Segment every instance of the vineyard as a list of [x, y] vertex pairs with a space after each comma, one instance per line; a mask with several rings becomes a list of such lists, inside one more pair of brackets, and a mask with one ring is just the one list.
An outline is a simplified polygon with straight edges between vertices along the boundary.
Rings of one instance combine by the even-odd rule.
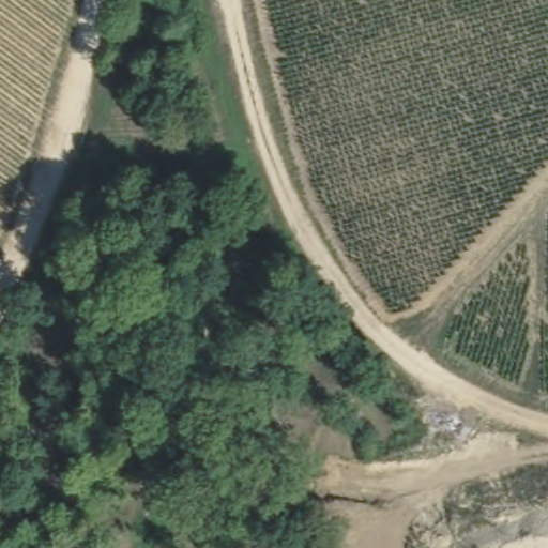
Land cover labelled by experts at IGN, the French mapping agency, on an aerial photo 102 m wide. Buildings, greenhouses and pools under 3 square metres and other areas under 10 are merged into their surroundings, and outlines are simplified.
[[514, 253], [505, 255], [505, 263], [501, 263], [497, 272], [490, 274], [488, 283], [471, 295], [471, 302], [462, 308], [462, 313], [447, 317], [445, 325], [441, 328], [445, 338], [452, 338], [454, 332], [458, 332], [456, 353], [486, 368], [497, 368], [501, 377], [509, 381], [518, 379], [529, 345], [524, 300], [529, 291], [529, 257], [527, 246], [518, 244]]
[[368, 280], [368, 285], [383, 300], [390, 313], [405, 310], [413, 302], [417, 302], [422, 293], [426, 293], [437, 283], [437, 278], [441, 278], [447, 272], [447, 268], [452, 268], [454, 261], [460, 259], [460, 255], [475, 242], [484, 227], [490, 227], [492, 220], [507, 208], [507, 203], [512, 203], [514, 197], [524, 191], [529, 180], [535, 178], [535, 173], [548, 163], [548, 0], [265, 0], [268, 17], [278, 47], [278, 73], [295, 122], [295, 139], [308, 163], [310, 186], [315, 191], [319, 206], [325, 210], [349, 261], [357, 265], [360, 274]]
[[60, 83], [69, 66], [71, 54], [75, 51], [69, 41], [69, 30], [71, 26], [75, 26], [75, 0], [0, 0], [0, 186], [19, 173], [19, 167], [26, 161], [45, 158], [43, 141], [47, 124], [54, 116]]
[[539, 343], [535, 347], [533, 368], [524, 385], [535, 394], [548, 392], [548, 325], [539, 323]]

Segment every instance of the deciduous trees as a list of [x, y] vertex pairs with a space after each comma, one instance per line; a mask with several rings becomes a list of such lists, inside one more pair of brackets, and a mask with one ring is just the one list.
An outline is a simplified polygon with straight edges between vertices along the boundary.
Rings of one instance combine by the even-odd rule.
[[103, 4], [98, 6], [98, 15], [94, 19], [94, 24], [98, 24], [98, 47], [90, 56], [92, 77], [109, 90], [116, 105], [137, 126], [146, 131], [152, 143], [163, 146], [167, 150], [184, 150], [188, 141], [212, 139], [216, 135], [216, 120], [214, 116], [210, 116], [214, 96], [203, 81], [195, 79], [193, 75], [199, 66], [199, 60], [214, 49], [216, 30], [210, 28], [201, 32], [201, 21], [206, 21], [218, 6], [216, 0], [103, 0]]
[[[113, 518], [116, 509], [128, 507], [133, 499], [158, 499], [152, 505], [152, 512], [173, 522], [182, 531], [191, 529], [199, 531], [203, 537], [240, 539], [244, 548], [313, 548], [313, 544], [317, 542], [317, 529], [323, 527], [328, 520], [325, 509], [323, 505], [319, 505], [319, 494], [310, 488], [310, 480], [325, 477], [328, 458], [310, 447], [293, 443], [289, 435], [295, 426], [276, 422], [276, 417], [272, 415], [272, 405], [278, 400], [289, 400], [289, 405], [302, 402], [315, 407], [319, 411], [323, 426], [340, 435], [347, 435], [351, 439], [355, 460], [383, 462], [385, 458], [381, 456], [379, 447], [381, 437], [368, 420], [355, 417], [357, 409], [362, 405], [377, 405], [387, 420], [396, 420], [398, 428], [405, 430], [413, 430], [415, 420], [422, 420], [417, 407], [400, 398], [390, 398], [390, 392], [394, 390], [394, 377], [387, 372], [387, 364], [392, 360], [355, 325], [353, 310], [340, 302], [334, 285], [325, 283], [319, 276], [317, 265], [313, 265], [310, 259], [302, 253], [295, 235], [287, 227], [287, 220], [283, 216], [283, 210], [278, 206], [278, 199], [272, 191], [265, 171], [257, 176], [257, 171], [248, 169], [244, 173], [231, 176], [225, 180], [220, 188], [214, 188], [208, 195], [197, 193], [191, 182], [178, 184], [178, 188], [158, 191], [154, 184], [146, 180], [141, 169], [133, 169], [131, 176], [118, 186], [113, 182], [107, 182], [103, 186], [83, 188], [66, 203], [64, 214], [45, 233], [49, 263], [45, 265], [45, 272], [39, 274], [32, 280], [32, 285], [28, 285], [19, 293], [9, 293], [4, 300], [6, 310], [0, 313], [0, 537], [13, 537], [21, 522], [39, 520], [54, 505], [64, 505], [69, 509], [69, 529], [75, 531], [86, 516], [90, 516], [92, 520]], [[336, 381], [343, 387], [347, 387], [345, 398], [330, 400], [325, 405], [313, 405], [308, 379], [315, 360], [330, 368]]]

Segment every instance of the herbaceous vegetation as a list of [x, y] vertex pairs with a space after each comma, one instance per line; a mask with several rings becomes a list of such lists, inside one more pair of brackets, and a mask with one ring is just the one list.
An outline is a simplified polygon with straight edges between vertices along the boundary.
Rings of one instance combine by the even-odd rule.
[[[285, 169], [289, 173], [293, 191], [298, 193], [304, 214], [315, 227], [332, 261], [347, 278], [349, 287], [360, 295], [368, 313], [381, 325], [390, 328], [400, 338], [409, 340], [409, 345], [413, 345], [417, 351], [426, 351], [439, 366], [507, 402], [539, 413], [548, 413], [548, 392], [535, 394], [524, 385], [533, 368], [535, 347], [539, 343], [539, 323], [548, 325], [548, 163], [535, 173], [535, 178], [529, 180], [524, 191], [514, 197], [512, 203], [507, 203], [507, 208], [492, 220], [490, 227], [484, 227], [475, 242], [460, 255], [460, 259], [454, 261], [452, 268], [447, 268], [447, 272], [441, 278], [437, 278], [437, 283], [426, 293], [422, 293], [417, 302], [413, 302], [405, 310], [390, 313], [383, 300], [368, 285], [368, 280], [360, 274], [357, 265], [349, 261], [325, 210], [319, 206], [315, 191], [310, 186], [308, 163], [295, 139], [295, 122], [278, 73], [278, 47], [268, 17], [265, 0], [242, 0], [242, 15], [246, 24], [255, 73], [278, 152], [283, 156]], [[509, 381], [501, 377], [497, 368], [486, 368], [456, 353], [458, 332], [454, 332], [452, 338], [445, 338], [441, 328], [445, 325], [447, 317], [462, 313], [462, 308], [471, 302], [471, 295], [488, 283], [490, 274], [497, 272], [501, 263], [505, 263], [505, 255], [514, 253], [518, 244], [527, 246], [529, 257], [529, 291], [524, 300], [529, 345], [518, 379]]]
[[302, 402], [289, 405], [289, 400], [278, 400], [272, 405], [272, 415], [276, 417], [276, 422], [295, 426], [289, 435], [293, 443], [310, 447], [328, 458], [355, 460], [351, 439], [347, 435], [340, 435], [323, 426], [319, 411], [315, 407]]
[[313, 548], [340, 548], [340, 542], [349, 531], [349, 520], [338, 518], [330, 509], [325, 509], [328, 520], [323, 527], [317, 529], [317, 542], [313, 544]]
[[387, 420], [377, 405], [362, 405], [357, 409], [355, 417], [368, 420], [381, 437], [379, 447], [381, 456], [385, 458], [394, 452], [405, 452], [407, 447], [413, 447], [422, 441], [428, 428], [422, 420], [415, 420], [413, 430], [405, 430], [398, 428], [396, 420]]
[[390, 392], [390, 398], [400, 398], [417, 407], [417, 398], [424, 392], [422, 385], [392, 360], [387, 364], [387, 372], [394, 377], [394, 390]]
[[193, 75], [195, 79], [203, 81], [214, 96], [210, 116], [214, 116], [216, 120], [216, 135], [212, 139], [188, 141], [184, 150], [167, 150], [163, 146], [152, 143], [146, 131], [137, 126], [116, 105], [109, 90], [92, 77], [83, 128], [81, 133], [75, 133], [73, 148], [62, 158], [58, 158], [64, 171], [51, 199], [49, 212], [41, 225], [36, 244], [26, 255], [26, 270], [21, 272], [21, 276], [28, 285], [32, 285], [32, 280], [39, 274], [45, 272], [45, 265], [49, 263], [45, 233], [64, 214], [66, 203], [83, 188], [103, 186], [107, 182], [113, 182], [118, 186], [131, 176], [133, 169], [141, 169], [146, 180], [154, 184], [158, 191], [178, 188], [178, 184], [191, 182], [197, 193], [208, 195], [214, 188], [220, 188], [225, 180], [231, 176], [244, 173], [248, 169], [257, 171], [257, 176], [265, 171], [255, 148], [255, 137], [244, 111], [231, 47], [225, 32], [225, 17], [218, 6], [206, 21], [201, 21], [201, 32], [210, 28], [216, 30], [214, 49], [199, 60], [199, 66]]
[[460, 516], [458, 533], [469, 533], [475, 527], [484, 527], [486, 505], [542, 505], [548, 499], [548, 465], [522, 465], [516, 471], [488, 482], [467, 480], [460, 484], [452, 484], [443, 499], [445, 522], [452, 522], [454, 516]]
[[343, 387], [336, 381], [330, 368], [315, 360], [308, 379], [313, 405], [325, 405], [330, 400], [345, 398], [347, 387]]

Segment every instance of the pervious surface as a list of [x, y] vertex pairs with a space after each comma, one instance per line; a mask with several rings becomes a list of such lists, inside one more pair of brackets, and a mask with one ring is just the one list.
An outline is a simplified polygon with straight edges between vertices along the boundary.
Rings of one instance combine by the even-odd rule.
[[349, 287], [347, 278], [332, 261], [315, 227], [304, 214], [298, 193], [293, 191], [289, 173], [285, 169], [283, 156], [278, 152], [255, 73], [246, 24], [242, 15], [242, 0], [216, 0], [218, 6], [225, 17], [225, 32], [231, 47], [244, 111], [255, 137], [255, 148], [265, 171], [272, 191], [278, 199], [278, 206], [283, 210], [283, 216], [287, 220], [287, 227], [295, 235], [302, 253], [310, 259], [313, 265], [317, 265], [319, 276], [325, 283], [334, 285], [340, 302], [353, 310], [355, 325], [392, 360], [422, 385], [424, 392], [417, 398], [417, 407], [422, 420], [428, 428], [422, 441], [413, 447], [407, 447], [405, 452], [394, 452], [385, 458], [383, 462], [355, 460], [328, 458], [325, 477], [310, 480], [310, 488], [319, 494], [319, 505], [323, 505], [325, 509], [330, 509], [338, 518], [349, 520], [349, 531], [340, 542], [340, 548], [548, 548], [548, 499], [542, 505], [486, 505], [484, 527], [475, 527], [469, 533], [458, 533], [460, 516], [454, 516], [452, 522], [445, 522], [443, 499], [452, 484], [460, 484], [467, 480], [488, 482], [516, 471], [522, 465], [548, 465], [548, 413], [539, 413], [507, 402], [439, 366], [426, 351], [417, 351], [413, 345], [409, 345], [409, 340], [400, 338], [390, 328], [381, 325], [368, 313], [360, 295]]
[[26, 255], [36, 244], [41, 225], [49, 212], [51, 199], [64, 171], [58, 158], [62, 158], [73, 148], [75, 133], [81, 133], [83, 128], [92, 77], [90, 56], [98, 47], [98, 24], [94, 24], [94, 19], [98, 15], [98, 6], [103, 4], [103, 0], [75, 0], [75, 26], [71, 26], [69, 30], [69, 41], [75, 51], [71, 54], [69, 66], [60, 83], [54, 116], [47, 124], [43, 141], [45, 158], [26, 161], [19, 167], [19, 173], [0, 186], [0, 313], [6, 310], [4, 300], [9, 293], [19, 293], [28, 285], [21, 276], [21, 272], [26, 270]]

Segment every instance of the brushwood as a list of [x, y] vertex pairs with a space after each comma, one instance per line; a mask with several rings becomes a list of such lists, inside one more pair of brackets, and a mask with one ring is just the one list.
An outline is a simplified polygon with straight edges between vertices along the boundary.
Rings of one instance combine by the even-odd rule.
[[69, 529], [69, 509], [64, 505], [54, 505], [39, 520], [21, 522], [13, 537], [0, 537], [0, 548], [244, 548], [240, 539], [203, 537], [199, 531], [191, 529], [182, 531], [173, 522], [152, 512], [152, 505], [158, 499], [133, 499], [128, 507], [116, 509], [113, 518], [92, 520], [90, 516], [86, 516], [75, 531]]

